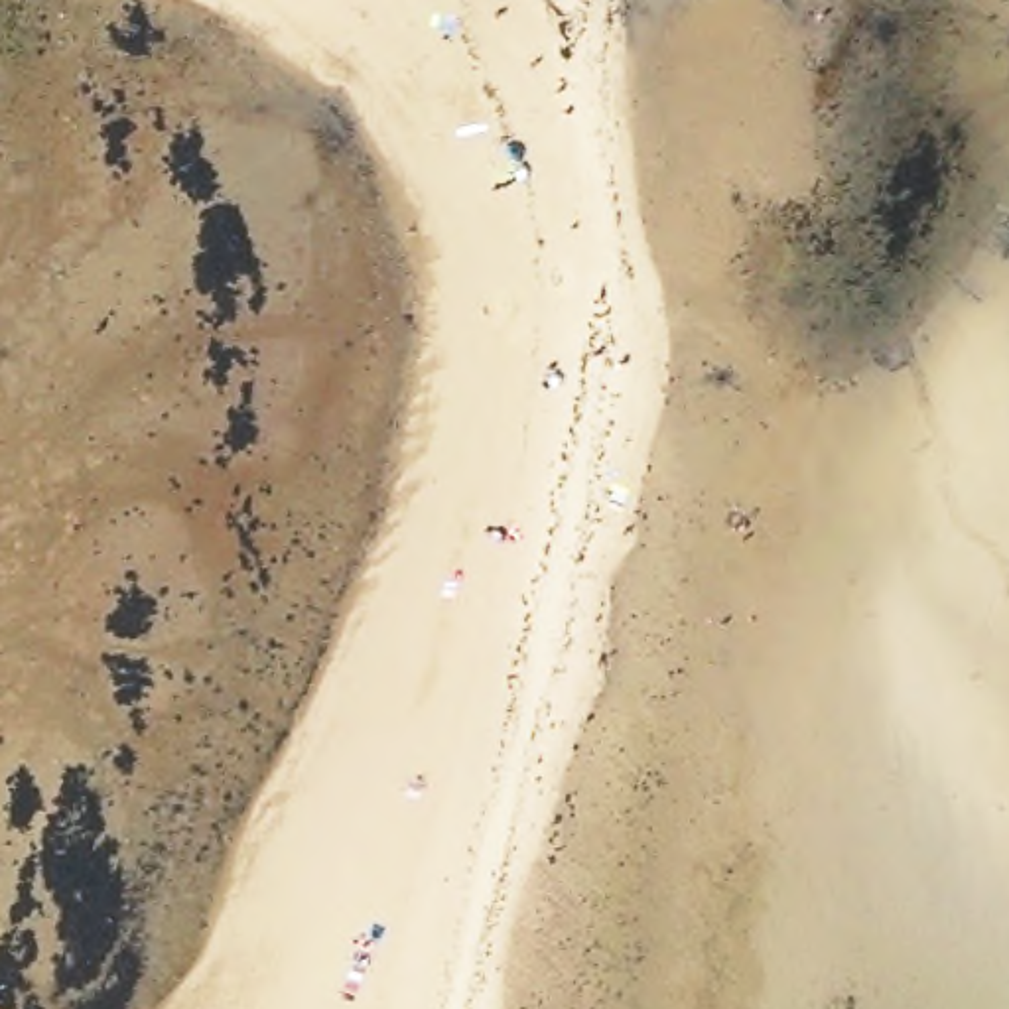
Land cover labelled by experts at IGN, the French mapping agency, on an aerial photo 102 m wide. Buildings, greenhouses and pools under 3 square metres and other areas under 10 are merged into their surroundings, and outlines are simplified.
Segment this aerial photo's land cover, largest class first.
<instances>
[{"label":"bare soil","instance_id":"1","mask_svg":"<svg viewBox=\"0 0 1009 1009\"><path fill-rule=\"evenodd\" d=\"M0 1009H1009V0H0Z\"/></svg>","mask_w":1009,"mask_h":1009}]
</instances>
